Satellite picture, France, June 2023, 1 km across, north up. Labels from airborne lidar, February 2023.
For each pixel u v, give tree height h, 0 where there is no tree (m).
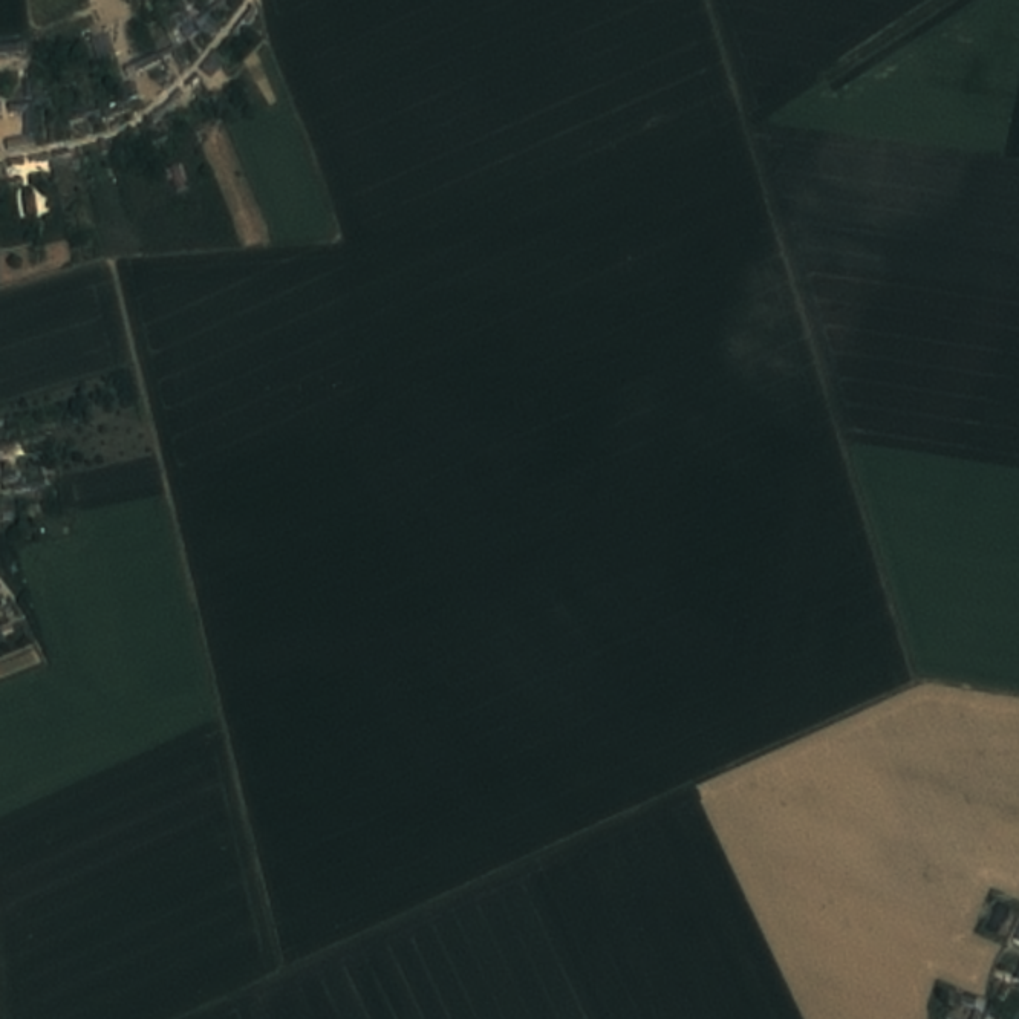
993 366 0
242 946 0
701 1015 0
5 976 0
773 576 0
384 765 0
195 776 0
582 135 0
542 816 0
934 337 0
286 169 0
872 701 0
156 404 0
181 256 0
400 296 0
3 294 0
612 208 0
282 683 0
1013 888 0
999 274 0
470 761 0
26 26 0
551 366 0
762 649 0
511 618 0
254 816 0
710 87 0
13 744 0
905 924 0
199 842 0
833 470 0
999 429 0
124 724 0
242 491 0
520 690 0
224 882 0
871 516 0
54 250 0
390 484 0
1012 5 0
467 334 0
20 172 0
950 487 0
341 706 0
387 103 0
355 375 0
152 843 0
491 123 0
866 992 0
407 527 0
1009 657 0
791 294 0
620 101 0
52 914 0
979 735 0
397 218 0
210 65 0
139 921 0
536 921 0
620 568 0
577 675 0
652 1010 0
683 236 0
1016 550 0
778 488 0
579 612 0
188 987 0
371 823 0
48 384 0
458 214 0
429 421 0
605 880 0
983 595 0
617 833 0
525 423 0
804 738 0
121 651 0
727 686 0
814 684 0
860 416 0
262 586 0
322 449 0
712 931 0
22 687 0
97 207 0
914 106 0
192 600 0
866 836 0
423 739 0
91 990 0
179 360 0
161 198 0
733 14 0
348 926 0
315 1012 0
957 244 0
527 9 0
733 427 0
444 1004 0
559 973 0
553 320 0
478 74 0
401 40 0
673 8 0
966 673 0
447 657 0
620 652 0
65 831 0
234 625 0
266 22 0
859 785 0
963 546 0
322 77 0
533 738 0
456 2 0
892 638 0
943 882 0
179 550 0
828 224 0
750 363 0
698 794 0
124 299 0
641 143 0
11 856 0
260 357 0
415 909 0
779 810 0
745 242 0
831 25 0
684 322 0
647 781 0
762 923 0
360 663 0
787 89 0
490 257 0
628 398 0
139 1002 0
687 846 0
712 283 0
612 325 0
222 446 0
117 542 0
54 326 0
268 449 0
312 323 0
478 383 0
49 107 7
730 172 0
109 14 0
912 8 0
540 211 0
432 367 0
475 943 0
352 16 0
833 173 0
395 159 0
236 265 0
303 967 0
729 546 0
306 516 0
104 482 0
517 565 0
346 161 0
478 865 0
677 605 0
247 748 0
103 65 7
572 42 0
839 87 0
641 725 0
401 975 0
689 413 0
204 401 0
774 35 0
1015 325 0
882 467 0
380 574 0
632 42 0
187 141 0
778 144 0
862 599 0
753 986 0
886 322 0
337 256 0
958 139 0
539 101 0
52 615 0
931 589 0
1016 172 0
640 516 0
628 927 0
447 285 0
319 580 0
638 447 0
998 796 0
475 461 0
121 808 0
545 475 0
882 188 0
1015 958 0
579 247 0
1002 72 0
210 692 0
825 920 0
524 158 0
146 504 0
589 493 0
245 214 0
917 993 0
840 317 0
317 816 0
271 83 0
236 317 0
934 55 0
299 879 0
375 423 0
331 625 0
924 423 0
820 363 0
